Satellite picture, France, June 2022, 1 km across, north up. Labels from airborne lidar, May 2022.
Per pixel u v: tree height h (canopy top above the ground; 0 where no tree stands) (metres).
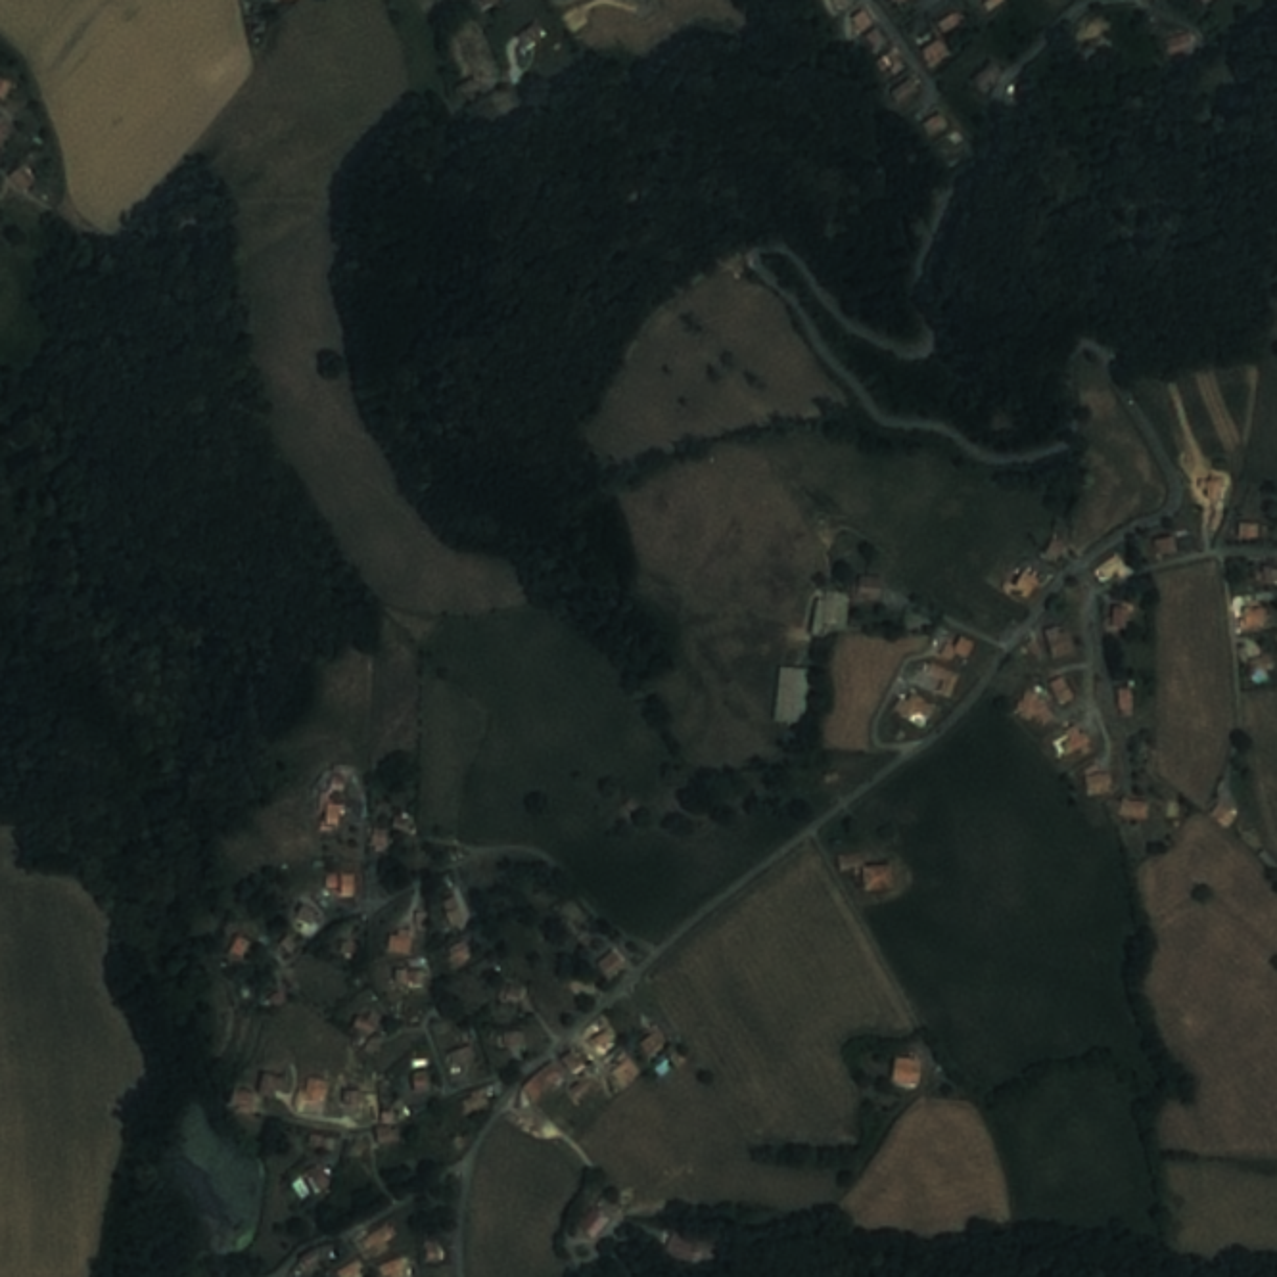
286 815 0
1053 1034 0
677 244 16
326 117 0
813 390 0
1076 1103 0
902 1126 0
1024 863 0
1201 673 0
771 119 20
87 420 23
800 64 21
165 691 27
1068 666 0
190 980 33
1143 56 0
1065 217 22
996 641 0
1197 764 0
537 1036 0
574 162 19
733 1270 21
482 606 0
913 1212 0
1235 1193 0
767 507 0
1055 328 22
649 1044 0
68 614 30
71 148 0
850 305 16
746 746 0
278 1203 0
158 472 22
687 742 0
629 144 21
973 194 21
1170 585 0
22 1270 0
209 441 23
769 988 0
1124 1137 0
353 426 0
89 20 0
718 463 0
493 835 0
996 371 20
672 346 0
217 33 0
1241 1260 24
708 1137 0
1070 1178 0
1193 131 32
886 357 6
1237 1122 0
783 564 0
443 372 23
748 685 0
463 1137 6
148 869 25
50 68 0
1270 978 0
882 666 0
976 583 0
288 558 18
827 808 0
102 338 23
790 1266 19
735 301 0
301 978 0
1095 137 9
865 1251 22
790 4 24
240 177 0
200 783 23
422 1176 16
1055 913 0
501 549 18
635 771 0
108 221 0
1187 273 18
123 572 30
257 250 0
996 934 0
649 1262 22
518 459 21
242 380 23
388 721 0
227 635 27
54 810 15
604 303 15
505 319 20
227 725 21
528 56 0
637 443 0
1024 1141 0
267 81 0
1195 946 0
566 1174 0
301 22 0
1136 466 0
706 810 14
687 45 23
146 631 32
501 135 25
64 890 0
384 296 31
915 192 25
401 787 10
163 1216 10
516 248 21
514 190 23
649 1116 0
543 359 16
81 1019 0
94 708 13
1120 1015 0
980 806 0
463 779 0
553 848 0
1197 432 0
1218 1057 0
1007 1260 26
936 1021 0
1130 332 19
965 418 6
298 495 19
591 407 13
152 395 23
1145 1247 17
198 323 28
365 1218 12
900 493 0
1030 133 25
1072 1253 26
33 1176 0
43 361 15
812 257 26
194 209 21
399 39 0
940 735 0
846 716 0
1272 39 29
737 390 0
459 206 31
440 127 7
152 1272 15
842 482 0
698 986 0
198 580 22
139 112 0
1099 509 0
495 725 0
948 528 0
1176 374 14
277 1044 0
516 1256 0
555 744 0
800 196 22
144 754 12
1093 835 0
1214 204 16
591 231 18
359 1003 0
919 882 0
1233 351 17
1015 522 0
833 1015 0
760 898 0
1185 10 10
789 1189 0
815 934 0
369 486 0
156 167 0
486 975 6
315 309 0
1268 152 24
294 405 0
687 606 0
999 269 19
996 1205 0
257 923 7
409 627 0
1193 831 0
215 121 0
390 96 0
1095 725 0
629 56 0
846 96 34
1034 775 0
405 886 13
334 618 20
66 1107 0
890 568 0
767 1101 0
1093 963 0
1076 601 0
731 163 17
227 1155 0
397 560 0
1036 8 0
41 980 0
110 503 24
